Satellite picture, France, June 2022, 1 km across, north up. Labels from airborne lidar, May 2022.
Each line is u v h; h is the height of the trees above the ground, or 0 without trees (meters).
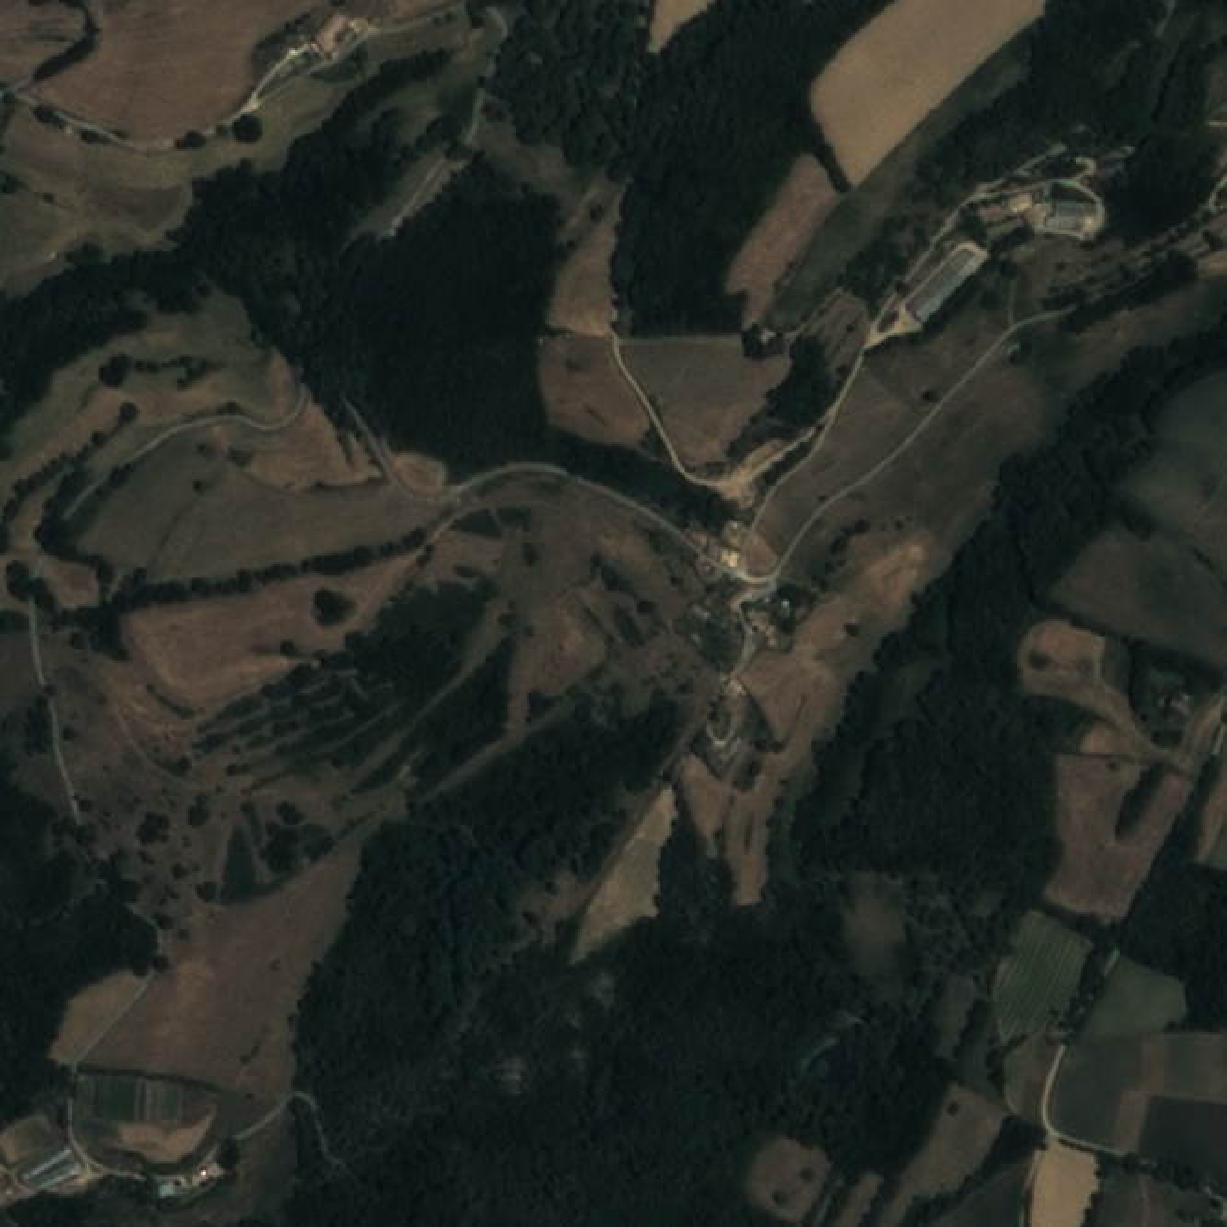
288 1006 0
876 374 0
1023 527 24
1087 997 7
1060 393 0
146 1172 7
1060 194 12
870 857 15
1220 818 0
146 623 0
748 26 15
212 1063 0
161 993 0
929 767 16
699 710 0
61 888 11
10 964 14
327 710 9
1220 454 0
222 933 0
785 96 18
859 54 0
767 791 0
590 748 11
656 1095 12
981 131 18
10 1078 15
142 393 0
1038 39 11
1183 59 9
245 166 11
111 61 0
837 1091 13
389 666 14
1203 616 0
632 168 11
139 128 0
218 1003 0
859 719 22
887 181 0
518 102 14
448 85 0
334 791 0
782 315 0
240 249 16
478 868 22
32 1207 8
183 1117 0
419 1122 14
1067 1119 0
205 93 0
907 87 0
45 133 0
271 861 10
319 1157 10
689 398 0
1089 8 16
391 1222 10
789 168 6
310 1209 18
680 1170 16
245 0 0
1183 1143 0
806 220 0
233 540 0
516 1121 18
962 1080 8
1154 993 0
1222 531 0
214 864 0
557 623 0
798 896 8
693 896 12
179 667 0
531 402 8
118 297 15
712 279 12
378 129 12
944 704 15
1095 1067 0
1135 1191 0
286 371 0
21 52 0
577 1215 13
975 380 0
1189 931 17
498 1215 16
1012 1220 0
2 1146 0
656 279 15
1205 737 0
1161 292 16
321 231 14
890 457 0
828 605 0
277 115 0
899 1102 11
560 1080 8
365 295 19
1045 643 0
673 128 9
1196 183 13
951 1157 0
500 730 11
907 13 0
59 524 12
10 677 0
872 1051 16
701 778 0
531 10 12
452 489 0
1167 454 0
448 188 10
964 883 13
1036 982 0
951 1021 0
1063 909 7
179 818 0
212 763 0
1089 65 16
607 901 0
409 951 9
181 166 0
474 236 19
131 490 0
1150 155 15
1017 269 10
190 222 11
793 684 0
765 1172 0
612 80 9
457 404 12
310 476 0
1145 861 0
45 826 7
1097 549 0
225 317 0
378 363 13
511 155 0
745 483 0
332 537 0
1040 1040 0
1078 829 0
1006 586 20
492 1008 8
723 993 21
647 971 21
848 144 0
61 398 0
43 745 7
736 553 0
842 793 0
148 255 11
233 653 0
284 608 0
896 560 0
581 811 8
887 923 0
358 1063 14
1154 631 0
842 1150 12
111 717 0
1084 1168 0
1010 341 0
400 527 0
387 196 12
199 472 0
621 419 0
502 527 0
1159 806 0
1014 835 18
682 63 16
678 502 7
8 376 18
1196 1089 0
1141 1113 0
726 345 0
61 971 12
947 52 0
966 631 17
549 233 14
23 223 0
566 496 0
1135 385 23
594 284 0
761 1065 12
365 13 0
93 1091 0
